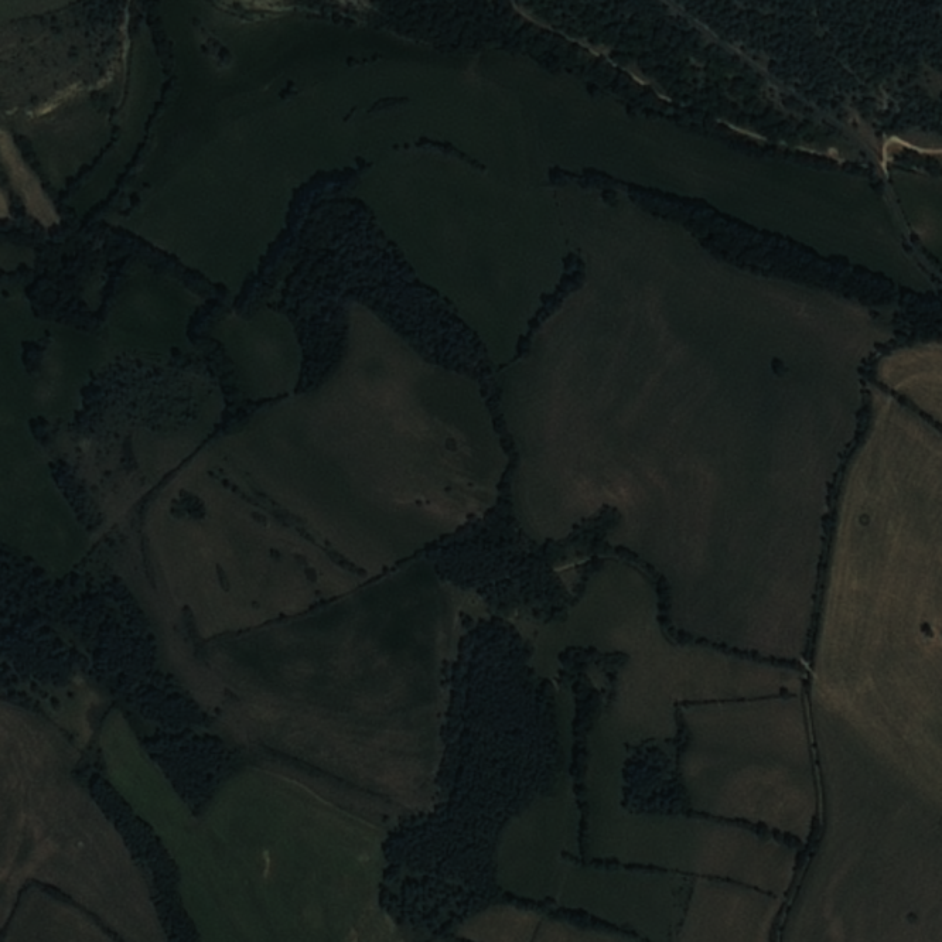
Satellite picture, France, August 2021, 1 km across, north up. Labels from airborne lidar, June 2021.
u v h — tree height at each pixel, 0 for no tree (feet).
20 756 0
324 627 0
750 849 0
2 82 0
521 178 0
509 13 54
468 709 60
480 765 54
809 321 0
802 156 41
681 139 0
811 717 0
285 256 59
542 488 0
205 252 0
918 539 0
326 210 65
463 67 0
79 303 27
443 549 38
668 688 0
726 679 0
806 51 40
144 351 0
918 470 0
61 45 0
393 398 0
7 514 0
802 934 0
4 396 0
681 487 0
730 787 0
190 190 0
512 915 0
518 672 55
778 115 31
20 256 0
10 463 0
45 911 0
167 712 49
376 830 0
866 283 49
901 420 0
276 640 0
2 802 0
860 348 0
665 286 0
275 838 0
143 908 0
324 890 0
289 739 0
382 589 0
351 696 0
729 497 0
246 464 0
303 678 0
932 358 0
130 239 63
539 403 0
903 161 34
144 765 0
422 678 0
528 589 45
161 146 0
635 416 0
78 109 0
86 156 0
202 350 57
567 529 0
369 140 0
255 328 0
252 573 0
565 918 45
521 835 0
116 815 39
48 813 0
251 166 0
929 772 0
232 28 0
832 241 0
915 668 0
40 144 0
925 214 0
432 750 0
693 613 0
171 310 0
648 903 0
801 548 0
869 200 0
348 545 0
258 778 0
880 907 0
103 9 33
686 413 0
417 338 33
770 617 0
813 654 20
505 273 0
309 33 0
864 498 0
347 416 0
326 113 0
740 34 30
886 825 0
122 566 0
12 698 27
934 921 0
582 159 0
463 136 0
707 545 0
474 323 0
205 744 40
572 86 0
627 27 42
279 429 0
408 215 0
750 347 0
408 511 0
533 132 0
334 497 0
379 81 0
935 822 0
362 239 57
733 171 0
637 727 0
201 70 0
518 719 78
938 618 0
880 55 31
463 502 0
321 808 0
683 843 0
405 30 19
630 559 44
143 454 0
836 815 0
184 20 0
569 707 0
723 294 0
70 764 0
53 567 0
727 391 0
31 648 62
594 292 0
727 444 0
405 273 59
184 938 39
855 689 0
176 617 0
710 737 0
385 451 0
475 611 0
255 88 0
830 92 30
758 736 0
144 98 0
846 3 23
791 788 0
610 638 0
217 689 0
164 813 0
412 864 52
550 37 39
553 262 0
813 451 0
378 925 0
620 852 0
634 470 0
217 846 0
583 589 29
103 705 0
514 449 49
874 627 0
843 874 0
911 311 22
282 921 0
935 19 43
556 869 0
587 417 0
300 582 0
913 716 0
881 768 0
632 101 48
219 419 0
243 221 0
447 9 40
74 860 0
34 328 0
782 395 0
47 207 0
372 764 0
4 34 0
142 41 0
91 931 0
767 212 0
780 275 18
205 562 0
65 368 0
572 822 0
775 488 0
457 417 0
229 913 0
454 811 54
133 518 0
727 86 32
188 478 0
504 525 33
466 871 47
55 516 0
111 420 0
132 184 19
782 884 0
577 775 47
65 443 0
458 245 0
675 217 55
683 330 0
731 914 0
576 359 0
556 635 0
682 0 27
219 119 0
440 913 35
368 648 0
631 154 0
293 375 0
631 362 0
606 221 0
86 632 24
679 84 37
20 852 0
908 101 29
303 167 0
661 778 38
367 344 0
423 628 0
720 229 66
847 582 0
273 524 0
